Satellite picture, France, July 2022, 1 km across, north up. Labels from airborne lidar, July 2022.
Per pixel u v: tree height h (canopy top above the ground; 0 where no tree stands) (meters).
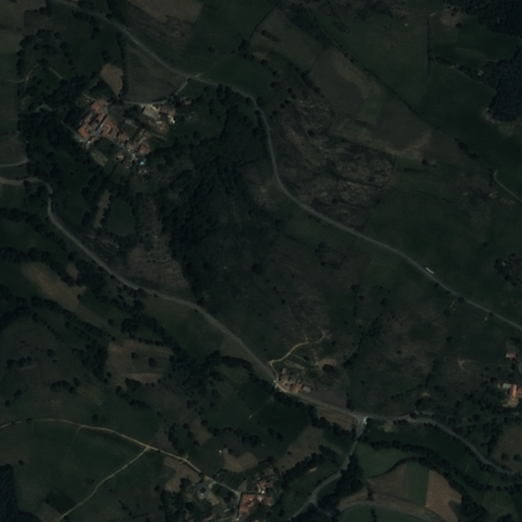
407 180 0
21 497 0
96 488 0
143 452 0
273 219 9
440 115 0
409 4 0
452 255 0
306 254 0
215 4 0
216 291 0
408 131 0
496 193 0
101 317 0
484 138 0
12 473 18
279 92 0
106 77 0
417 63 0
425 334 0
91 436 0
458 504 0
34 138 13
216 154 0
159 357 0
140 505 7
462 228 0
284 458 0
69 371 0
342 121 0
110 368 0
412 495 0
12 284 0
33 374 0
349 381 0
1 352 0
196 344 0
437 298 0
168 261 0
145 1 0
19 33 0
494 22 7
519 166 0
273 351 0
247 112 0
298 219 0
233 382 0
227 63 0
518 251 0
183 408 0
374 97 0
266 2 0
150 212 0
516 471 0
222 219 0
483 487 16
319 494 0
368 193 0
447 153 0
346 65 0
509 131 0
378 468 0
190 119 0
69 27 0
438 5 0
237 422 0
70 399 0
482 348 0
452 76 0
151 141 0
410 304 0
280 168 0
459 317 0
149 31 0
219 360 22
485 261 0
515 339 8
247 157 0
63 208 0
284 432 0
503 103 13
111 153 8
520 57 16
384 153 0
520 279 6
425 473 0
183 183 7
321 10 0
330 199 0
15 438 0
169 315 0
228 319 0
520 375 0
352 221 0
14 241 0
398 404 0
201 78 0
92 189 15
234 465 0
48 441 0
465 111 0
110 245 0
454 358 0
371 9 0
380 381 0
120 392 13
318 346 0
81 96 14
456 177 0
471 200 0
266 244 0
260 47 0
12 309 0
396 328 0
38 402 0
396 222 0
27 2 0
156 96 0
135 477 0
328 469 0
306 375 0
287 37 0
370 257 0
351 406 16
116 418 0
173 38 0
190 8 0
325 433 0
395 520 0
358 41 0
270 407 0
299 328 0
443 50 0
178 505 9
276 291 9
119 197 12
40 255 17
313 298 0
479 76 7
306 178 0
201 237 7
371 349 0
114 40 0
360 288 8
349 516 0
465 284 0
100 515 0
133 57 0
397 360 0
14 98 0
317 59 0
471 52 0
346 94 0
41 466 0
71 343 0
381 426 0
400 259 0
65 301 0
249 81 0
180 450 11
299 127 0
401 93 0
